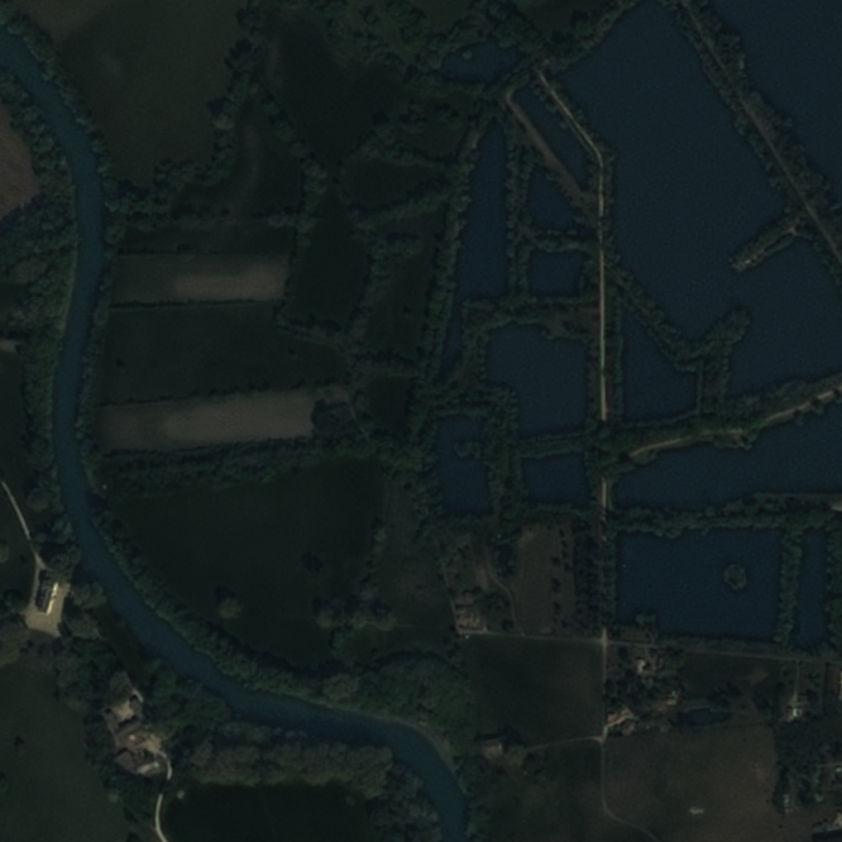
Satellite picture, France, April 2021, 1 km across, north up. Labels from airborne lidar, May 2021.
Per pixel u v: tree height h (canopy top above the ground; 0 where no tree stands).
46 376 17
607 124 0
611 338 9
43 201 9
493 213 0
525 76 7
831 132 0
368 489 0
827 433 0
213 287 0
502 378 0
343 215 0
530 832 0
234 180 0
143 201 26
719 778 0
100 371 14
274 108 13
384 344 0
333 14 15
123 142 0
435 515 16
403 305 0
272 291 0
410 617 0
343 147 0
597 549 20
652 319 11
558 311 15
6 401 0
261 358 0
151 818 20
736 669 0
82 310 0
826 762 14
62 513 10
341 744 32
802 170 24
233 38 0
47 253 22
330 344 9
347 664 12
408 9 23
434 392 13
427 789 0
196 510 0
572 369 0
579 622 14
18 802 0
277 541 0
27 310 22
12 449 0
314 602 0
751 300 0
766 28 0
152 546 0
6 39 0
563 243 14
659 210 0
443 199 19
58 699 12
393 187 0
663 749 0
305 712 0
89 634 34
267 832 0
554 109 18
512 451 14
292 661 0
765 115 26
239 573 0
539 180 0
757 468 0
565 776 0
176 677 19
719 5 0
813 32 0
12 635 27
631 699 10
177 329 0
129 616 0
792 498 0
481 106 12
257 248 0
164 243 0
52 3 0
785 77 0
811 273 0
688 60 0
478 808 20
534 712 0
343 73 0
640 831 0
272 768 33
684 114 0
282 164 0
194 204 0
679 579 0
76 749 0
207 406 0
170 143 0
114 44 0
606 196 10
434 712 20
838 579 18
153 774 0
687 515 23
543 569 0
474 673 0
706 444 0
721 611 0
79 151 0
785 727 8
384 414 0
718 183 0
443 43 14
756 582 0
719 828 0
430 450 19
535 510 19
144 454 7
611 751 0
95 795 0
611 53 0
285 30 0
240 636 0
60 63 13
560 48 16
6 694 0
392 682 23
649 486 0
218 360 0
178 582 0
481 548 6
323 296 0
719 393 12
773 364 0
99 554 0
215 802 0
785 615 11
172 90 0
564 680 0
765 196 0
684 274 0
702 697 0
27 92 21
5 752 0
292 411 0
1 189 0
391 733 0
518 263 8
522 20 25
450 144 0
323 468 0
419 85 16
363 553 0
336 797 0
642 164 0
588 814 0
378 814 20
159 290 0
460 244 7
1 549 25
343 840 0
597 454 17
